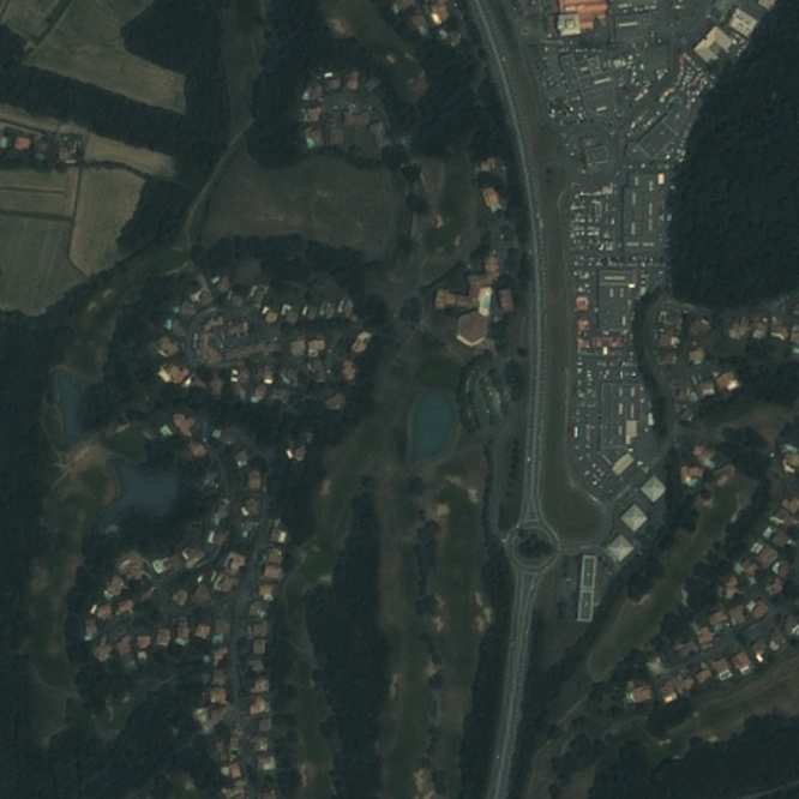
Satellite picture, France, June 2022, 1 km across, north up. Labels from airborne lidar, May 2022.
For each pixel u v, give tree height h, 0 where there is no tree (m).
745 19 0
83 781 10
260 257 16
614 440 0
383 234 0
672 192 8
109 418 10
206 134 12
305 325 14
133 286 0
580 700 0
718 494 0
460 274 12
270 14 10
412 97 0
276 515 13
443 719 0
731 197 21
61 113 18
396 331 8
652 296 9
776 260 22
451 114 23
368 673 24
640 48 0
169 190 13
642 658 13
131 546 23
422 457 0
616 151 0
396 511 0
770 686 0
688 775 21
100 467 0
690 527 19
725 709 0
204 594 0
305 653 0
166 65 9
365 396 19
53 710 0
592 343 0
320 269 17
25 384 29
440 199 0
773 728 19
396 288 0
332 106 0
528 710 17
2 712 18
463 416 12
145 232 10
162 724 23
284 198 0
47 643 0
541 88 0
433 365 0
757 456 17
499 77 0
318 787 0
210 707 8
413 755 0
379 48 0
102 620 6
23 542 20
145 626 16
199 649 13
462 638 0
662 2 0
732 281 22
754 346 6
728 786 19
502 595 9
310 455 18
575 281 0
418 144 19
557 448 0
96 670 15
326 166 0
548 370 0
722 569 21
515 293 13
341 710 21
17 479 26
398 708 0
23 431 19
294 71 18
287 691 15
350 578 23
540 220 0
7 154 15
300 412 20
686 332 6
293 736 16
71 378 0
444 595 0
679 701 12
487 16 0
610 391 0
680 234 20
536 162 0
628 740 0
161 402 6
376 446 0
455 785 0
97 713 19
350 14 0
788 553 17
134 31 11
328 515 0
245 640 10
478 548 0
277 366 7
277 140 21
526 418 0
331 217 0
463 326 0
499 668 6
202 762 24
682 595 0
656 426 7
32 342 24
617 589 6
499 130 22
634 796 22
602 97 0
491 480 9
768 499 15
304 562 0
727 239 24
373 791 19
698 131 24
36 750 17
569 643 0
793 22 21
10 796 26
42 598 0
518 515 0
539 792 0
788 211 11
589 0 0
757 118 24
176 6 13
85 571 13
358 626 21
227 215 0
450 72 24
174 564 0
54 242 0
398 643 0
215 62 20
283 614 15
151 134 19
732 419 0
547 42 0
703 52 0
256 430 16
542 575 0
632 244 0
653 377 9
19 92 16
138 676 15
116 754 17
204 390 17
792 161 9
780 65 20
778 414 0
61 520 0
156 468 11
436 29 6
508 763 0
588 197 0
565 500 0
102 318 0
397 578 0
